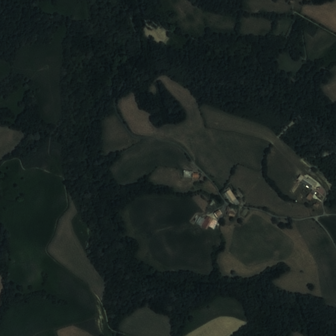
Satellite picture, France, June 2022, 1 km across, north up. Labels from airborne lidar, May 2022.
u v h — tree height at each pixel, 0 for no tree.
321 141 18
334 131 20
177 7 0
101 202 27
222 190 9
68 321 0
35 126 16
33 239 0
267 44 25
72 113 7
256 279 12
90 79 9
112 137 0
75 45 23
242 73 12
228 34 10
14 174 0
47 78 0
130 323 0
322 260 0
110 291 10
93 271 0
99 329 0
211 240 0
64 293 0
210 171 0
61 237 0
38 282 0
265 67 25
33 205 0
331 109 13
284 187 0
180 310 22
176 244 0
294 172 0
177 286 13
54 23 13
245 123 0
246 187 0
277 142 0
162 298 23
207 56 12
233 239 0
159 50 18
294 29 19
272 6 0
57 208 0
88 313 0
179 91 0
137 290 20
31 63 0
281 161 0
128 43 14
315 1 18
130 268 22
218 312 0
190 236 0
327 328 22
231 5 12
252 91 13
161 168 0
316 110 18
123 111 0
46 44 9
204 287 26
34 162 0
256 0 0
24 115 15
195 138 0
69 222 0
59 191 0
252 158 0
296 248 0
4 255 28
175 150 0
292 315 19
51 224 0
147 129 0
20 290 16
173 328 13
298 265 0
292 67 0
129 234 0
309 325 13
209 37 18
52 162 0
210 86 18
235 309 0
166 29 15
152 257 0
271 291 24
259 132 0
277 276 18
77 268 0
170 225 0
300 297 22
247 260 0
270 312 15
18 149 18
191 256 0
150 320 0
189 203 0
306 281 0
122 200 28
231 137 0
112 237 27
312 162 8
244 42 17
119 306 16
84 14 0
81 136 23
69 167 12
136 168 0
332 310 24
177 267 0
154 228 0
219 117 0
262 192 0
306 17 10
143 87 10
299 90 10
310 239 0
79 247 0
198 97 8
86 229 0
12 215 0
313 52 0
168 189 19
